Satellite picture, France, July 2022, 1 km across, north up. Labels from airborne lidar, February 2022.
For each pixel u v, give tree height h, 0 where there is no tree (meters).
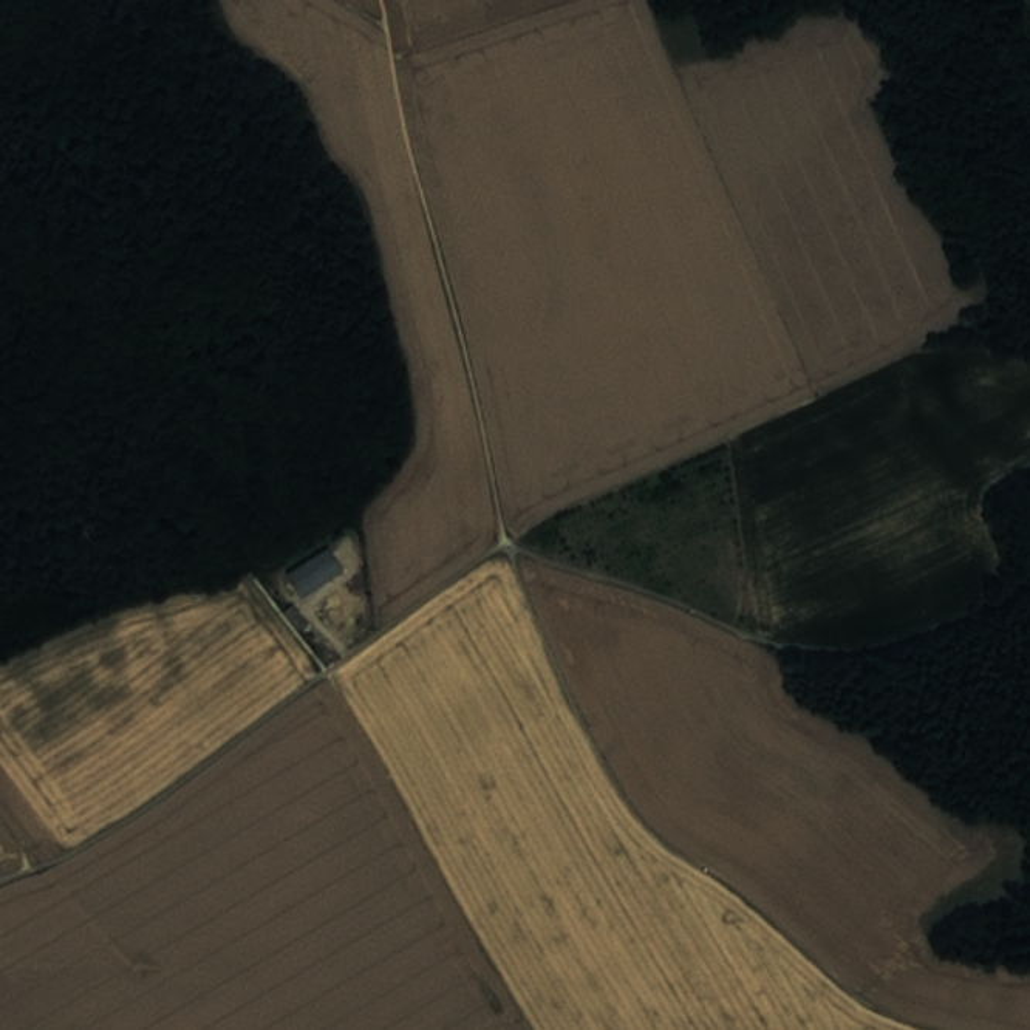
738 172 0
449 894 0
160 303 24
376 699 0
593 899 0
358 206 16
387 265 0
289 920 0
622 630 0
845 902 0
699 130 0
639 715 0
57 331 20
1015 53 28
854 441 0
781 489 0
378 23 0
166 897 0
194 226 14
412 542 0
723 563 0
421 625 0
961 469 0
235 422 24
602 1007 0
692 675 0
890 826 0
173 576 19
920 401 0
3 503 26
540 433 0
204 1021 0
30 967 0
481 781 0
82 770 0
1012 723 23
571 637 0
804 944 0
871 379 0
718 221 0
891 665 23
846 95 0
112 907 0
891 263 0
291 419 24
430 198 0
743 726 0
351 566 0
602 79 0
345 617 0
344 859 0
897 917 0
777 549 0
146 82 26
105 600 18
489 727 0
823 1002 0
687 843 0
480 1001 0
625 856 0
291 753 0
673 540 0
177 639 0
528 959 0
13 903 0
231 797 0
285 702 0
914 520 0
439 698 0
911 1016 0
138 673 0
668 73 0
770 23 25
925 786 10
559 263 0
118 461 22
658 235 0
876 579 0
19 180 24
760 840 0
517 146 0
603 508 0
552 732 0
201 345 15
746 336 0
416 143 0
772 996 0
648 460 0
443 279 0
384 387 22
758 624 0
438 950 0
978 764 25
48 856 0
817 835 0
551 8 0
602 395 0
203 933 0
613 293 0
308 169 23
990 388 0
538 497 0
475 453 0
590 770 0
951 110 25
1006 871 0
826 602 0
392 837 0
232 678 0
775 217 0
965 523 0
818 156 0
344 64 0
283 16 0
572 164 0
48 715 0
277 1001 0
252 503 16
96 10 24
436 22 0
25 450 28
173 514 19
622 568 0
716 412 0
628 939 0
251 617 0
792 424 0
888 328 0
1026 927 9
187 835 0
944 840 0
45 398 24
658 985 0
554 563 0
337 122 0
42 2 22
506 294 0
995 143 31
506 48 0
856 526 0
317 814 0
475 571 0
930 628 0
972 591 0
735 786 0
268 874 0
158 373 16
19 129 23
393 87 0
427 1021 0
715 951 0
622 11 0
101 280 25
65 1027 0
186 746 0
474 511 0
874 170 0
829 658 14
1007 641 26
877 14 23
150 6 26
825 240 0
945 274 0
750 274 0
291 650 0
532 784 0
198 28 25
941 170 18
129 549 22
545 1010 0
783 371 0
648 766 0
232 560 20
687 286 0
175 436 25
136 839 0
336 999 0
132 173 23
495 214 0
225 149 17
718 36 23
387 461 22
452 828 0
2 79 16
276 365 23
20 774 0
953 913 0
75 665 0
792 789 0
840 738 0
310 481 24
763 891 0
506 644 0
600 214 0
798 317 0
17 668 0
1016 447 0
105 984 0
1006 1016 0
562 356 0
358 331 26
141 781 0
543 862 0
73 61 22
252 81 23
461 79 0
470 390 0
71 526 20
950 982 0
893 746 22
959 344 13
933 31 27
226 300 19
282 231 20
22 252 24
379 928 0
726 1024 0
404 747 0
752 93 0
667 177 0
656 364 0
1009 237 25
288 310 23
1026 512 22
